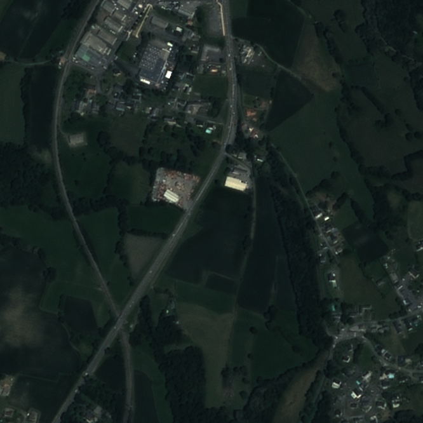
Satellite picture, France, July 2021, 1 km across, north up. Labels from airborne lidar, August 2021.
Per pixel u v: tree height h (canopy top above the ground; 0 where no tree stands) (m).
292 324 0
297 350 14
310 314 29
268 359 0
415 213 0
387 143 0
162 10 0
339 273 0
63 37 0
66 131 0
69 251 0
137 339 9
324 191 0
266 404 22
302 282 19
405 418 19
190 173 7
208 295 0
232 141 0
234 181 0
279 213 22
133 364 0
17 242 21
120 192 0
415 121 0
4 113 0
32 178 13
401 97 0
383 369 6
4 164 18
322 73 0
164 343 17
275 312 11
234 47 0
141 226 0
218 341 0
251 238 13
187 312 0
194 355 9
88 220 0
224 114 0
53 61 11
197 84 0
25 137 8
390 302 0
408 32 15
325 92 0
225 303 0
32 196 17
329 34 23
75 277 0
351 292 0
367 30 22
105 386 19
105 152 13
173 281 0
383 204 11
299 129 0
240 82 13
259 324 0
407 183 0
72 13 21
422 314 0
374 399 0
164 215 0
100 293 0
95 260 10
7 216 0
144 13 12
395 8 20
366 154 0
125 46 15
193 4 0
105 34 0
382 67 0
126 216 20
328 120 0
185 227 0
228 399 0
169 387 14
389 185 8
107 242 0
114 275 0
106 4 0
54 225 0
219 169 0
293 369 15
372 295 0
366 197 0
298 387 0
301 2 18
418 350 13
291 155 0
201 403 19
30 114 15
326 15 0
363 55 0
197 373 15
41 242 0
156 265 0
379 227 15
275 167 23
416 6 23
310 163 0
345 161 0
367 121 0
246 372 9
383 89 0
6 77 0
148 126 10
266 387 19
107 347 0
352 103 8
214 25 0
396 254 0
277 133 0
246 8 0
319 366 0
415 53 19
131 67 0
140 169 0
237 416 23
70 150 0
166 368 16
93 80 0
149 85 0
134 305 0
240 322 0
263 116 6
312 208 13
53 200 0
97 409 0
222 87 0
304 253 22
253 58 0
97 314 0
